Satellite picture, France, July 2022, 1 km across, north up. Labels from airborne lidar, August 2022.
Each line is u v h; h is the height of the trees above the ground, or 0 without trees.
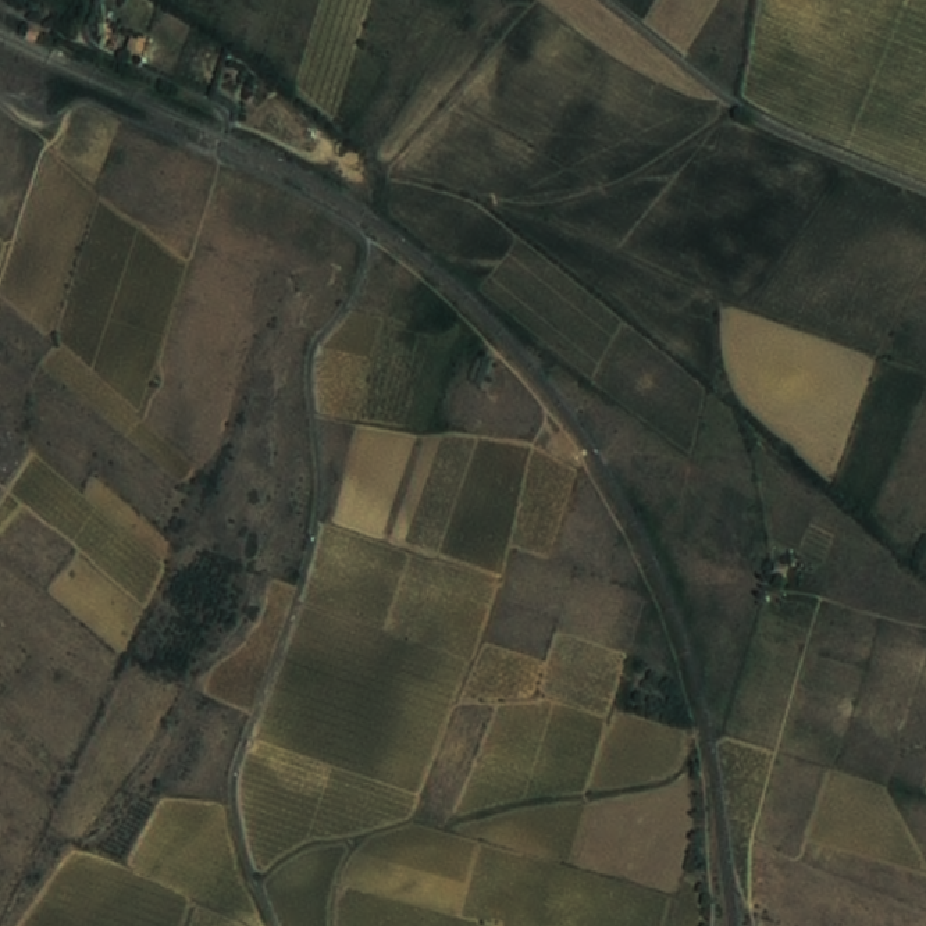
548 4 0
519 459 0
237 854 0
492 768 0
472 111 0
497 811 0
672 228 0
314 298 0
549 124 0
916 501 0
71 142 0
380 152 0
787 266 0
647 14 0
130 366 0
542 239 0
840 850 0
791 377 0
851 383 0
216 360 0
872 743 0
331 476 0
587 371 0
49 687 0
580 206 0
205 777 0
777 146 0
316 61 0
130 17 0
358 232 0
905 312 0
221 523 0
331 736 0
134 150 0
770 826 0
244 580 0
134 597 0
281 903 0
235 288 0
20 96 0
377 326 0
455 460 0
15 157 0
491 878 0
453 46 0
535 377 0
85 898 0
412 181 0
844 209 0
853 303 0
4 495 0
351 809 0
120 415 0
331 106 0
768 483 0
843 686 0
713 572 0
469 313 0
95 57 15
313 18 0
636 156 0
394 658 0
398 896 0
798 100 0
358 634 0
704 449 0
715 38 0
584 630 0
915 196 0
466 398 0
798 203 0
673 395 0
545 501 0
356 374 0
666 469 0
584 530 0
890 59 0
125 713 0
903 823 0
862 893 0
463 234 0
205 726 0
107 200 0
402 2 0
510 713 0
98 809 0
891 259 0
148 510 0
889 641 0
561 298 0
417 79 0
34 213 0
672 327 0
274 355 0
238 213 0
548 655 0
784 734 0
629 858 0
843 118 0
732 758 0
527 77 0
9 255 0
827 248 0
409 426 0
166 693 0
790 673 0
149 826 0
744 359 0
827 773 0
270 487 0
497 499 0
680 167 0
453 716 0
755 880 0
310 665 0
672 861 0
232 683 0
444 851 0
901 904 0
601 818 0
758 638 0
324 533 0
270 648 0
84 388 0
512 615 0
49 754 0
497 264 0
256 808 0
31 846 0
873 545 0
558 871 0
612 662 0
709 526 0
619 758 0
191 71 0
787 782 0
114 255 0
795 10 0
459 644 0
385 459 0
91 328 0
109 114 0
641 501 0
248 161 0
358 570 0
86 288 0
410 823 0
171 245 0
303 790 0
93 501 0
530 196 0
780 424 0
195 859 0
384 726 0
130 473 0
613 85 0
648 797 0
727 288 0
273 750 0
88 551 0
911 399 0
